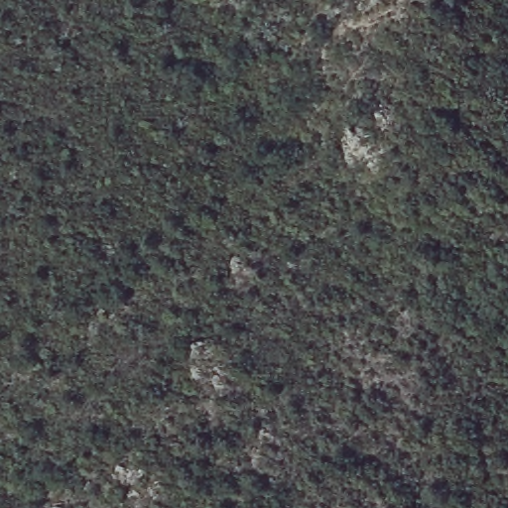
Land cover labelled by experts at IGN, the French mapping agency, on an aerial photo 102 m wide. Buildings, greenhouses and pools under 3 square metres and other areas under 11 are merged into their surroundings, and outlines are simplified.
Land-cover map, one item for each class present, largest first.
<instances>
[{"label":"brushwood","instance_id":"1","mask_svg":"<svg viewBox=\"0 0 508 508\"><path fill-rule=\"evenodd\" d=\"M385 8L383 2H377L369 10L359 12L357 0H0V508H508V0H415L405 2V18L401 20H387V16H383L379 18V24L371 26V32L367 34H361L359 30H349L343 36H337L335 28L341 20H361ZM355 129L365 131L359 143L369 151L363 159H357L353 165H347L343 153V133H355Z\"/></svg>","mask_w":508,"mask_h":508},{"label":"bare soil","instance_id":"2","mask_svg":"<svg viewBox=\"0 0 508 508\"><path fill-rule=\"evenodd\" d=\"M377 2H383L385 8L361 20H341L335 28L337 36H343L349 30H359L361 34H367L371 32V26L379 24V18L383 16H387V20H401L405 18V2L415 0H357L359 12L369 10ZM365 131L355 129V133H343V153L347 165H353L357 159H363L369 151L359 143Z\"/></svg>","mask_w":508,"mask_h":508}]
</instances>
